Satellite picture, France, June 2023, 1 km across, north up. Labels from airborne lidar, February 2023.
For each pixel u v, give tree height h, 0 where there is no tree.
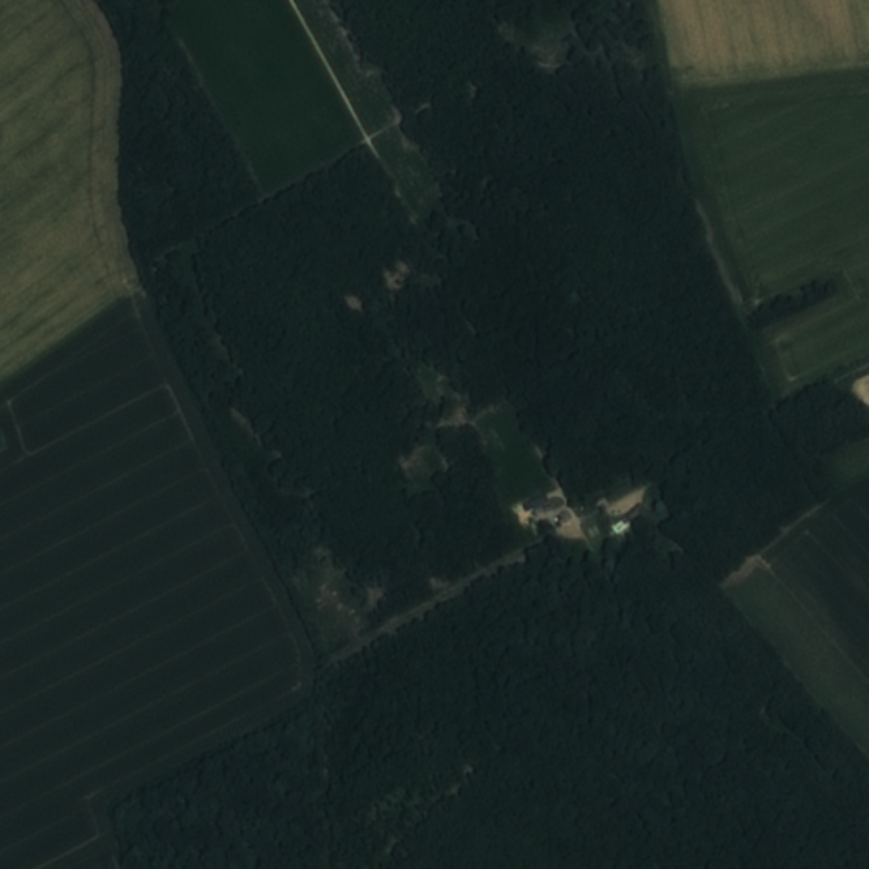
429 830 18
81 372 0
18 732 0
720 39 0
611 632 20
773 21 0
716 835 17
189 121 17
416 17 17
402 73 19
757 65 0
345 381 18
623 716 26
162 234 19
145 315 0
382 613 19
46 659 0
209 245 16
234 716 0
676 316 17
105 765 0
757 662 21
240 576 0
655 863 22
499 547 20
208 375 18
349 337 18
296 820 24
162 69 19
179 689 0
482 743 23
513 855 15
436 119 17
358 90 0
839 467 0
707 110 0
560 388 26
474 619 20
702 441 24
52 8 0
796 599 0
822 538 0
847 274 0
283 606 0
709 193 0
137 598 0
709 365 21
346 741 6
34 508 0
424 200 0
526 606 21
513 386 19
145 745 0
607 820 24
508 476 0
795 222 0
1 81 0
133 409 0
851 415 23
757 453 25
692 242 21
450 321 18
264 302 18
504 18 23
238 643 0
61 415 0
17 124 0
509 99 20
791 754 23
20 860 0
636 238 17
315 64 0
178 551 0
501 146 21
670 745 21
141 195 20
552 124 24
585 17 23
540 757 24
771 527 21
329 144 0
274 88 0
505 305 20
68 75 0
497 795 19
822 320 0
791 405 17
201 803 26
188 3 0
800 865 22
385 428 21
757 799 25
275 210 22
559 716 23
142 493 0
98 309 0
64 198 0
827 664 0
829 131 0
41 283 0
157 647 0
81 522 0
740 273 0
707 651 24
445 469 0
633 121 24
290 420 22
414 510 21
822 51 0
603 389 24
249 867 24
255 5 0
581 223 21
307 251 18
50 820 0
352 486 21
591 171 21
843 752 21
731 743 23
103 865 0
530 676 19
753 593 0
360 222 19
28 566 0
